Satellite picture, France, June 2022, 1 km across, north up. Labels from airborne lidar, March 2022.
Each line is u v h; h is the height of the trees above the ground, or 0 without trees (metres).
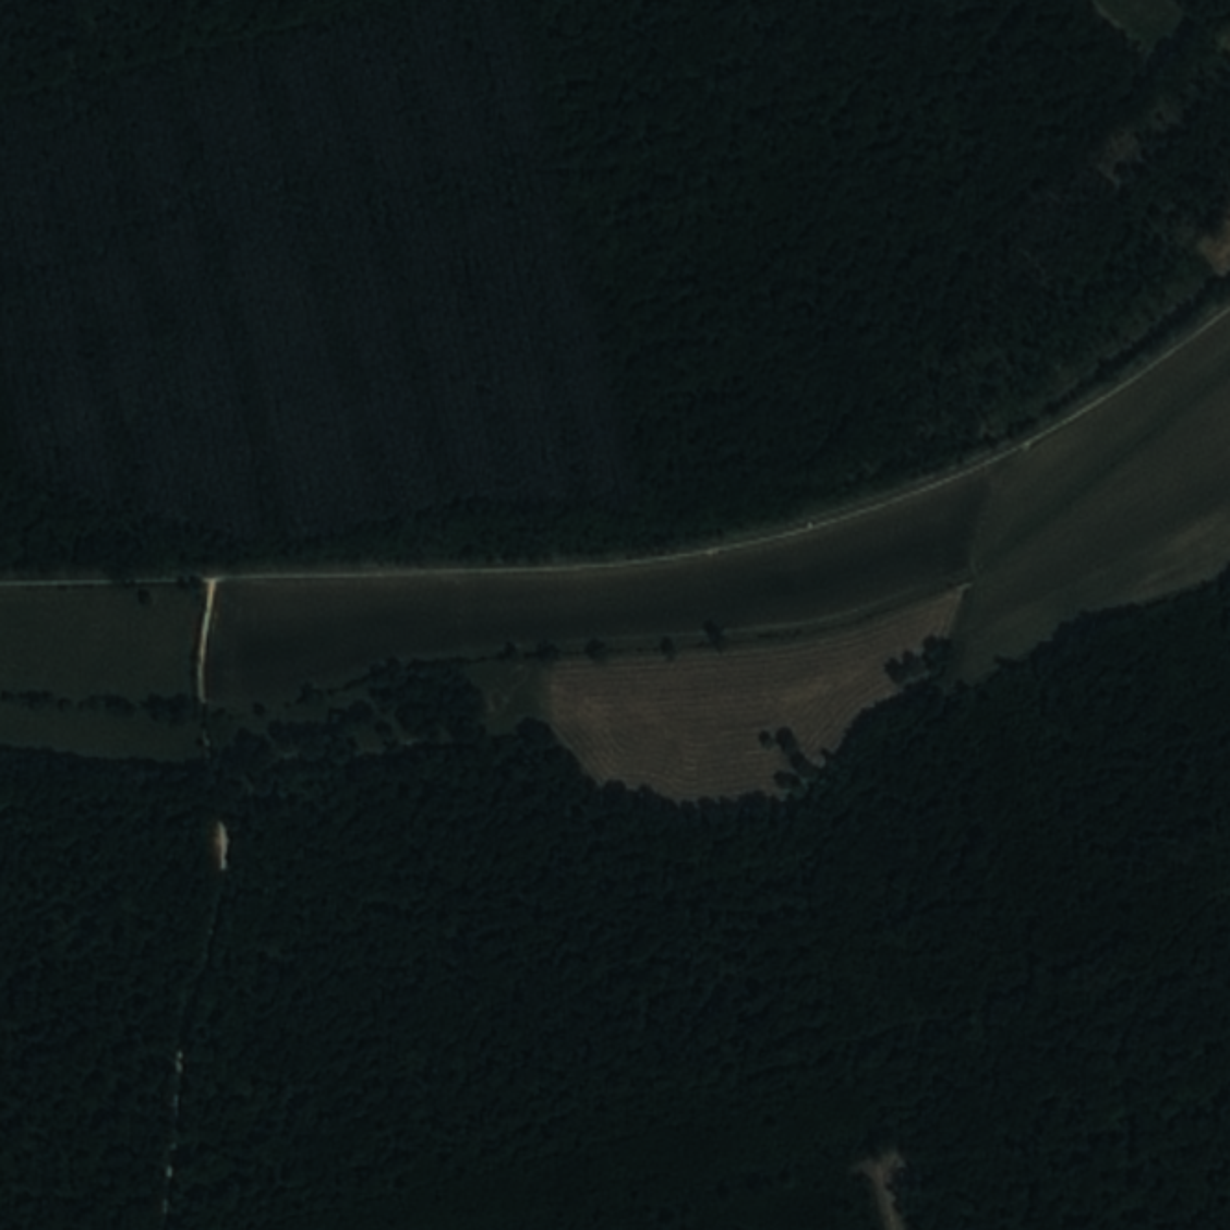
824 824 18
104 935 8
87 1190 6
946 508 0
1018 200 19
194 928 20
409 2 14
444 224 16
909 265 15
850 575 0
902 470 11
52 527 14
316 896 19
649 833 24
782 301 15
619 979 19
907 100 18
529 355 17
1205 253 0
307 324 13
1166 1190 20
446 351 14
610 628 0
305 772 16
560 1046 20
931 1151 22
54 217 15
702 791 0
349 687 5
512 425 15
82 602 0
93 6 21
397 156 15
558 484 17
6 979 0
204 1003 18
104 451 16
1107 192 18
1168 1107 22
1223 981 15
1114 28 18
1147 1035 22
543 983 19
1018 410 0
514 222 14
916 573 0
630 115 22
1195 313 18
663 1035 19
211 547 17
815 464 20
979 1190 23
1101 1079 20
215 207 16
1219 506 0
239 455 14
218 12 23
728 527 9
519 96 15
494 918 19
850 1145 0
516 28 15
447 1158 13
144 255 13
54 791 20
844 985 6
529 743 22
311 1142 19
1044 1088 23
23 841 13
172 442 15
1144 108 16
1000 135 16
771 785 0
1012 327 17
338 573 0
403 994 20
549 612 0
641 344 12
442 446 16
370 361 15
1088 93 15
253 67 16
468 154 13
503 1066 20
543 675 0
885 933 19
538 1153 8
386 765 17
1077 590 0
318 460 16
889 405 19
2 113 16
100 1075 19
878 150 18
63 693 0
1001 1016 19
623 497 17
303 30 15
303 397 16
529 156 15
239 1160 19
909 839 27
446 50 15
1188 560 0
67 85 17
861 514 0
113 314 17
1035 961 19
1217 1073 19
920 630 0
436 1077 18
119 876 18
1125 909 21
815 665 0
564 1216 12
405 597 0
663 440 17
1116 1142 22
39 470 17
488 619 0
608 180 19
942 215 18
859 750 15
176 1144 0
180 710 19
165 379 16
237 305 13
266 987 19
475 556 13
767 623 0
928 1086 7
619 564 0
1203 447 0
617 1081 22
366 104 16
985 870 16
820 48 19
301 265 16
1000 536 0
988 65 19
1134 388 0
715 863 20
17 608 0
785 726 0
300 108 14
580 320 14
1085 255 14
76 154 16
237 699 0
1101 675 16
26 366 14
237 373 17
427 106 15
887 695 0
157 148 15
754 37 16
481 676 0
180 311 16
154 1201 18
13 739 0
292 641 0
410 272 15
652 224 17
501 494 17
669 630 0
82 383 19
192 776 19
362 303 18
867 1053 20
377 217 16
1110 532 0
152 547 21
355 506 16
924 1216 26
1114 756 14
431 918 18
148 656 0
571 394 16
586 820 21
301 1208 14
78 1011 20
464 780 17
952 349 19
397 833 17
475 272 12
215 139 13
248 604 0
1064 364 18
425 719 21
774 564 0
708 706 0
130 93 16
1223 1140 21
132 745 0
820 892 19
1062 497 0
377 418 15
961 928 18
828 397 16
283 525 17
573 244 15
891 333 14
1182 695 7
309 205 15
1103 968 23
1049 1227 25
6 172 16
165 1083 24
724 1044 18
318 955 16
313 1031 17
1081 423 0
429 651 0
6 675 0
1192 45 18
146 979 23
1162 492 0
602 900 24
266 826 19
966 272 21
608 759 0
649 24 18
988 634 0
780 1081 12
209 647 0
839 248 13
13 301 14
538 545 12
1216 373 0
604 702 0
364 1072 14
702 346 16
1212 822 25
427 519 17
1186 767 20
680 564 0
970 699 18
